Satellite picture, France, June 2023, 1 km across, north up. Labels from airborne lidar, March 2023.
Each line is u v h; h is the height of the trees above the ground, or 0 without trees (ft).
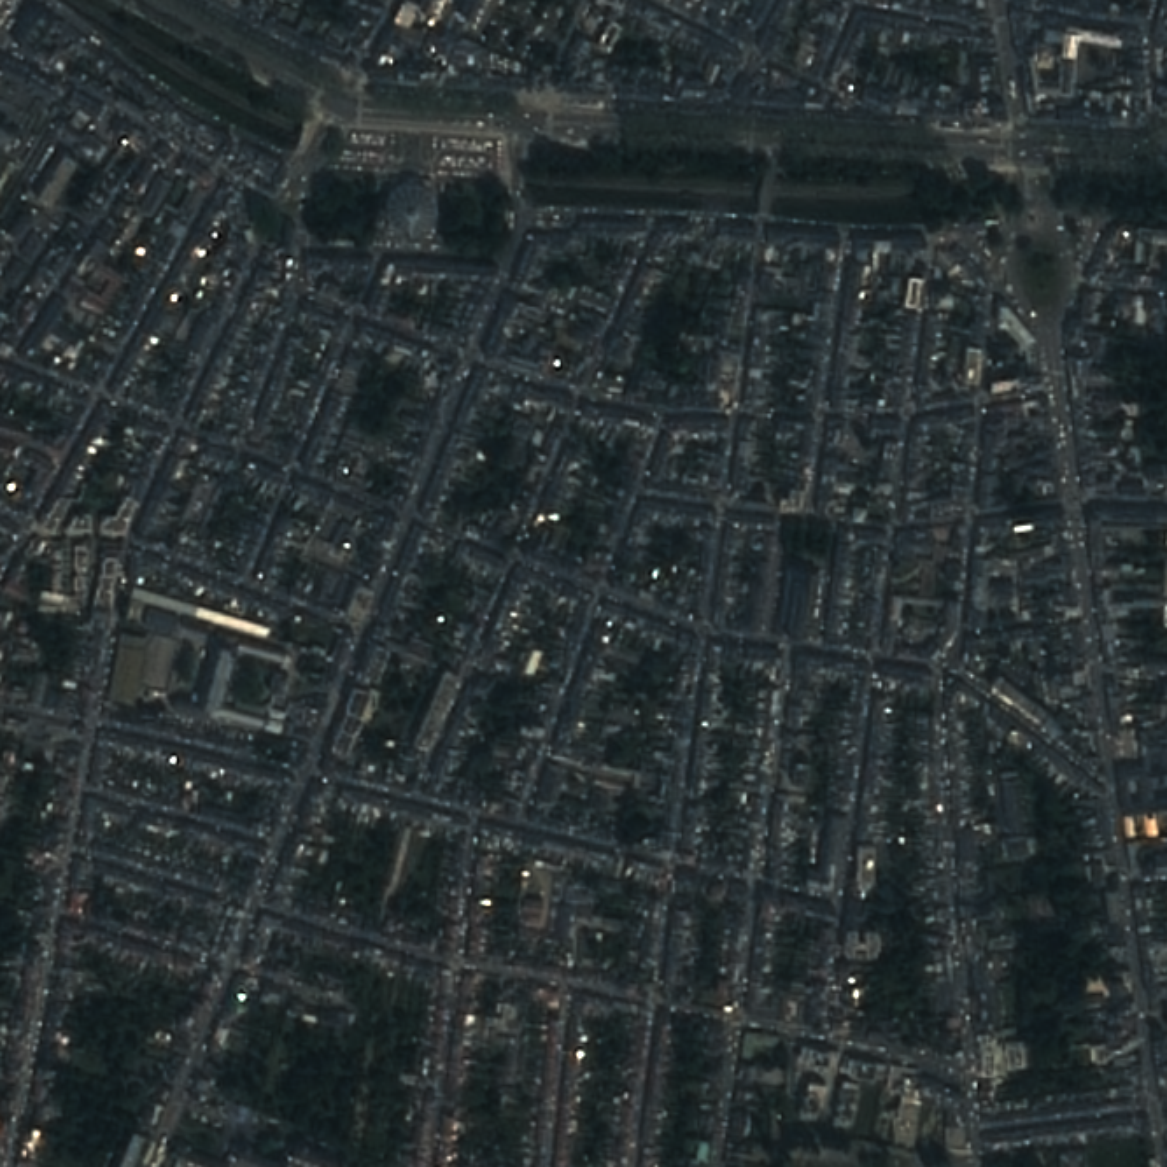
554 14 0
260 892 0
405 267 0
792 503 0
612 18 0
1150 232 0
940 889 0
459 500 57
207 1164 0
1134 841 0
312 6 41
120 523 0
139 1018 18
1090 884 50
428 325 0
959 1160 0
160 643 0
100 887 21
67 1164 0
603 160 43
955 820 0
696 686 0
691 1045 29
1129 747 0
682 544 59
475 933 0
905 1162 0
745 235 0
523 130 0
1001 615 28
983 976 0
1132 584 26
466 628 0
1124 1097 0
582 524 18
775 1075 0
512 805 0
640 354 34
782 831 0
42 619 44
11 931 42
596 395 0
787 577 0
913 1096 0
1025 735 0
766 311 0
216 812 0
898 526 0
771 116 67
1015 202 63
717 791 26
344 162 0
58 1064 48
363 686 0
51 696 0
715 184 0
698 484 0
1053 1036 75
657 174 46
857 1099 0
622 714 0
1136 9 0
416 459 0
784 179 19
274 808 0
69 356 0
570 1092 0
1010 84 0
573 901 0
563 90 0
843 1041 0
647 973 30
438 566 62
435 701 0
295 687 0
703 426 0
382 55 0
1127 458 54
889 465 0
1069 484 0
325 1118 30
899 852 44
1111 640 0
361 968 20
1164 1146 0
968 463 0
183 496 18
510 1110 0
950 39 24
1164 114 38
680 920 0
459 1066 0
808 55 0
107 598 0
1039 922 60
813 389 0
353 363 0
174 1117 0
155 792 0
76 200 37
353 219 73
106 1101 30
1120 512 0
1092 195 69
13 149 0
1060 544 0
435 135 0
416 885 32
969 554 0
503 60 0
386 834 21
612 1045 31
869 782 0
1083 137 54
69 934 0
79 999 28
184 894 0
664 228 0
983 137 0
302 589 0
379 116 0
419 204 0
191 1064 0
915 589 0
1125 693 0
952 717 0
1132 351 46
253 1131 0
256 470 0
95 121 0
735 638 0
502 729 31
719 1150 0
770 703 0
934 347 0
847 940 0
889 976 24
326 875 20
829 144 33
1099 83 19
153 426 0
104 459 21
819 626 0
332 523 0
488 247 44
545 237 0
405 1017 26
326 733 0
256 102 48
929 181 70
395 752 34
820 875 0
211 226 0
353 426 0
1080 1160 0
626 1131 0
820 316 0
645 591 0
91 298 0
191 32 59
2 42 0
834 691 25
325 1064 23
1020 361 32
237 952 0
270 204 62
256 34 64
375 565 0
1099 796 0
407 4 0
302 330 38
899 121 61
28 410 20
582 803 26
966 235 0
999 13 0
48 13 0
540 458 0
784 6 0
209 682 0
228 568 23
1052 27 0
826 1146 0
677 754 0
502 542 39
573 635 0
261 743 66
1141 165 60
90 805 0
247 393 0
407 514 0
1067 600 0
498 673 21
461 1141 27
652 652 50
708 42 0
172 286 0
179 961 0
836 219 0
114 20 49
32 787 51
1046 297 0
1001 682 0
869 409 0
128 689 0
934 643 0
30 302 0
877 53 34
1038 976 35
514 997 0
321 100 0
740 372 0
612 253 20
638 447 0
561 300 0
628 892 25
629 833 64
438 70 0
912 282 0
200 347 0
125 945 0
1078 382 0
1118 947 0
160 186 0
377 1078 48
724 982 0
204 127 0
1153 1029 44
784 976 35
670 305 54
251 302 0
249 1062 37
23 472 0
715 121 63
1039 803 34
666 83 0
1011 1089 21
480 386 0
